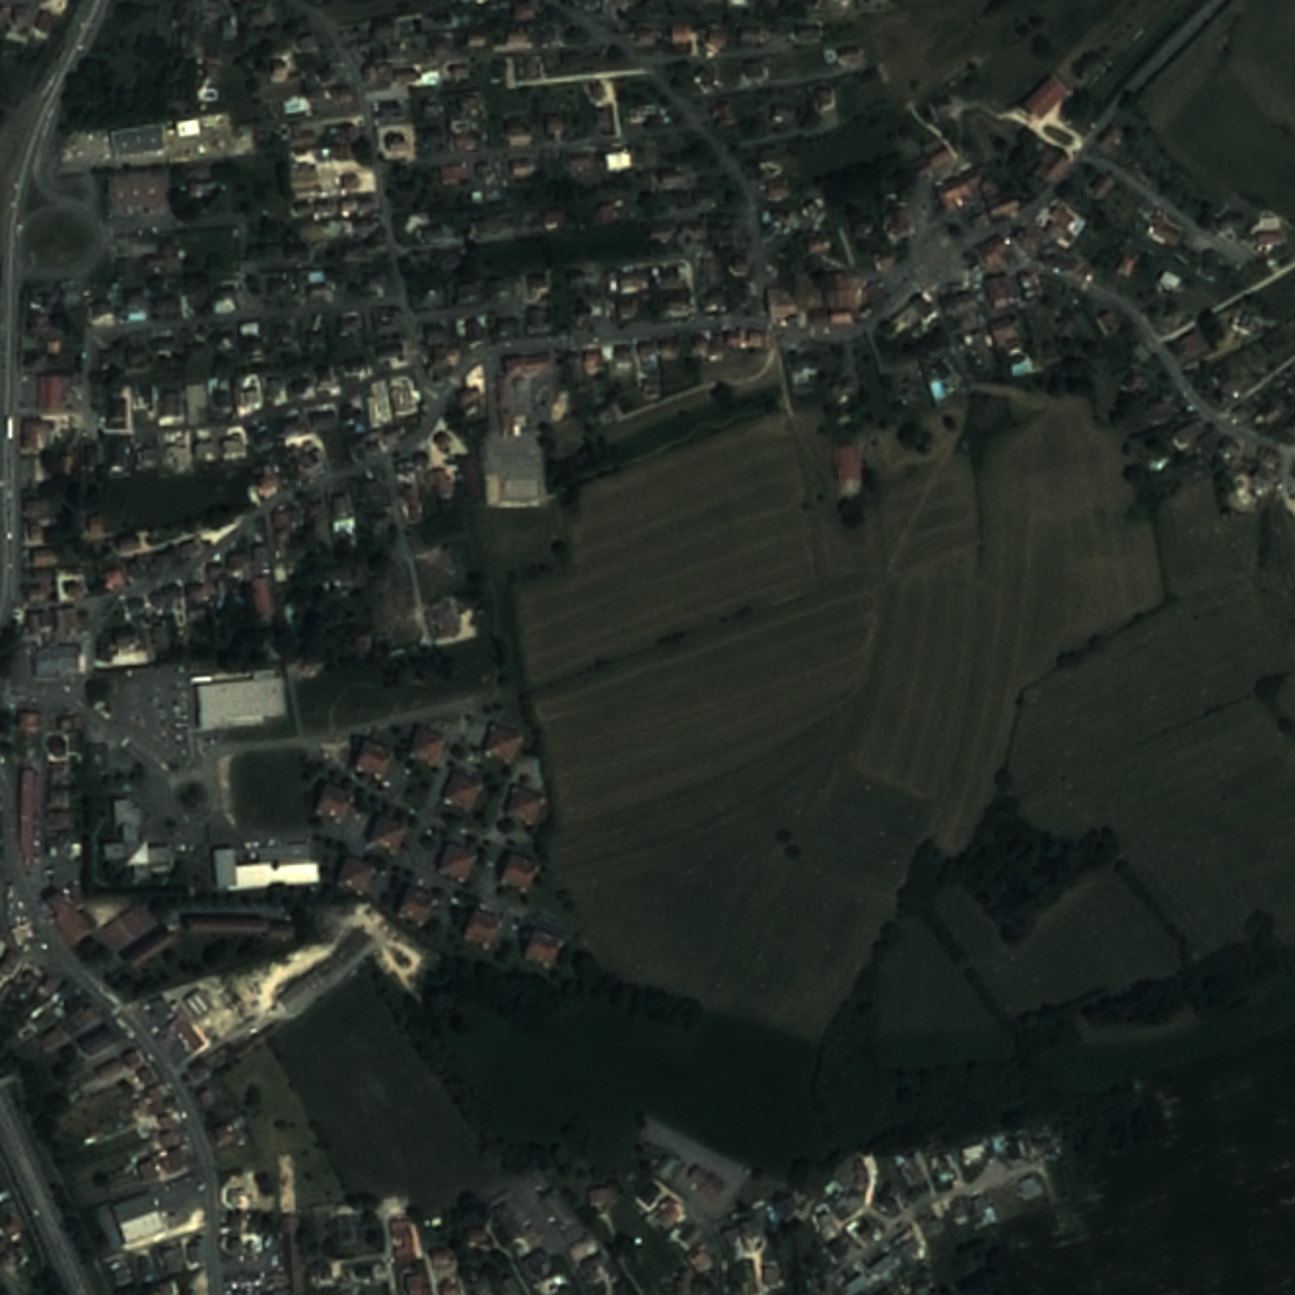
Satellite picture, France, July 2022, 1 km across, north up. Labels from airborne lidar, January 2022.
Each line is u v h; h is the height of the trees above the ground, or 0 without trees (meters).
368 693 0
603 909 0
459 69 0
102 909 0
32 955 0
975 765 0
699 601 0
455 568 0
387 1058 0
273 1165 0
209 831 0
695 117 0
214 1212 0
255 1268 0
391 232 0
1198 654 0
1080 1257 0
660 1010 18
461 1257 13
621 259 0
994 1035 0
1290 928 0
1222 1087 0
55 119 0
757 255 0
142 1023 0
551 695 0
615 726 0
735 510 0
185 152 0
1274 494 0
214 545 0
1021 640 0
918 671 0
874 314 0
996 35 0
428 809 0
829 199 17
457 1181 0
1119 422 8
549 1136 0
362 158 11
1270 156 0
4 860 0
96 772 0
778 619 0
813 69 0
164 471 0
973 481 0
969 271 0
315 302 0
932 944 0
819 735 0
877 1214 0
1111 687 0
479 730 0
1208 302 0
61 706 0
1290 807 0
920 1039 0
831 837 0
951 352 0
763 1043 0
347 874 0
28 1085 7
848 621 0
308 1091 0
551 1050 0
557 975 8
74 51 0
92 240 0
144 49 6
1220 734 0
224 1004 0
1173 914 0
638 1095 0
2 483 0
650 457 0
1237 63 0
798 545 0
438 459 0
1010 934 14
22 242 0
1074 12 0
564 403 0
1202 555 0
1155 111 0
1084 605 0
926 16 0
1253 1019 0
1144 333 0
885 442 0
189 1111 0
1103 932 0
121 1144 0
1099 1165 0
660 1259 0
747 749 0
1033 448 0
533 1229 0
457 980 15
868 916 0
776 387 0
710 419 0
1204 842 0
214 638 8
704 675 0
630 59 0
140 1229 0
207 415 0
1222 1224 0
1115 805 0
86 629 0
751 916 0
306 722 0
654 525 0
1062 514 0
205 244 0
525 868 0
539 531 0
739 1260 0
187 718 0
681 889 0
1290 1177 0
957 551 0
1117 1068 0
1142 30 0
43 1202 0
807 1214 0
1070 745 0
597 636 0
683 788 0
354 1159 0
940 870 7
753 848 0
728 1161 0
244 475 0
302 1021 0
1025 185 6
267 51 8
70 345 0
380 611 0
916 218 0
